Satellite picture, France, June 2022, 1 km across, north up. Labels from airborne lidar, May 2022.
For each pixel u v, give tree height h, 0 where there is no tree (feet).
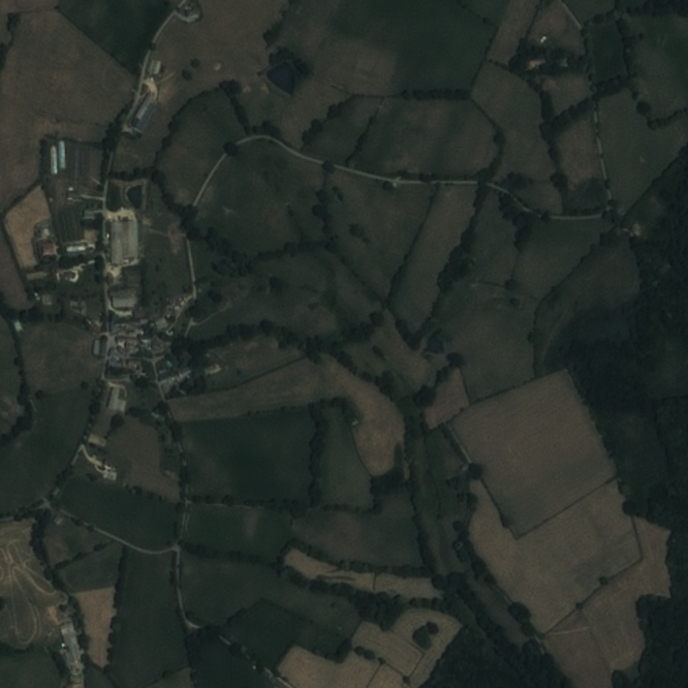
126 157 0
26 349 0
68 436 0
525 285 0
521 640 0
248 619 0
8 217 0
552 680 71
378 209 0
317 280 0
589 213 32
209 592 0
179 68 0
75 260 40
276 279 41
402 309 0
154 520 0
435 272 0
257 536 0
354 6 0
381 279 0
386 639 0
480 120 0
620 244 0
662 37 0
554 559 0
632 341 28
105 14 0
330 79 0
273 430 0
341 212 0
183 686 0
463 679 71
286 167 0
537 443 0
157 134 0
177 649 0
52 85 0
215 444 0
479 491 0
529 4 0
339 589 47
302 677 0
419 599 30
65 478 40
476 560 46
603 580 33
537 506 0
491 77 0
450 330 0
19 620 0
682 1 35
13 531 0
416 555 0
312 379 0
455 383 0
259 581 0
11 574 0
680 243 60
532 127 0
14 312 44
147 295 20
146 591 0
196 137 0
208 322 0
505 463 0
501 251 0
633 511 53
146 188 0
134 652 0
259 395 0
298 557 0
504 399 0
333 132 0
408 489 41
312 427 0
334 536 0
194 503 35
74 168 0
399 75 0
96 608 0
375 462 0
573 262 0
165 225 0
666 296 58
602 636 0
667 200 28
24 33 0
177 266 0
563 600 0
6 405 0
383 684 0
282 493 0
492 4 0
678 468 55
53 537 0
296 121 0
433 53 0
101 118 0
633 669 0
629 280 0
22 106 0
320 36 0
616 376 31
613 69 0
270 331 59
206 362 33
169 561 0
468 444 0
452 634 0
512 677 67
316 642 0
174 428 50
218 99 0
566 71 31
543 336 0
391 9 0
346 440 0
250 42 0
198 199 0
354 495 0
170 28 0
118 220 0
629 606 0
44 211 0
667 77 0
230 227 0
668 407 66
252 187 0
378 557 0
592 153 0
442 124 0
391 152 0
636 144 0
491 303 0
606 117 0
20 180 0
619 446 0
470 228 27
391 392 54
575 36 0
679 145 0
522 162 0
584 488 0
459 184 0
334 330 0
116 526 0
